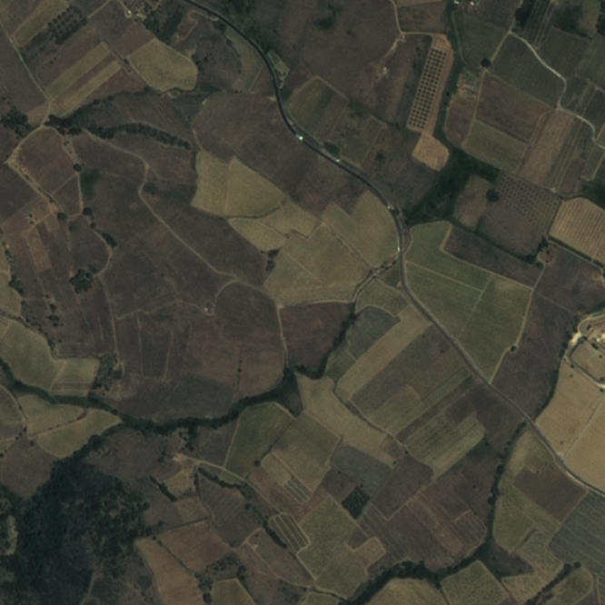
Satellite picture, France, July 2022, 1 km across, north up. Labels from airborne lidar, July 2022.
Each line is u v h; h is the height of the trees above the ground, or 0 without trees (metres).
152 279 0
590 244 0
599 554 0
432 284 0
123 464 0
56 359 0
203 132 0
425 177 0
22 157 0
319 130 0
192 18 0
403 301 0
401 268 0
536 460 0
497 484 7
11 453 0
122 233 0
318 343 0
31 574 8
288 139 0
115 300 0
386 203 0
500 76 0
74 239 0
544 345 0
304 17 0
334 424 0
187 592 0
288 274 0
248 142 0
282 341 0
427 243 0
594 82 0
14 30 0
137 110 0
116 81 0
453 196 7
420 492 0
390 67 0
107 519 6
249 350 0
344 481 0
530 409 0
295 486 0
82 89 0
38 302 0
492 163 0
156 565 0
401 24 0
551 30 0
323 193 0
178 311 0
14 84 0
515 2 0
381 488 0
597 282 0
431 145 0
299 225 0
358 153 0
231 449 0
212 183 0
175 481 0
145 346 0
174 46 0
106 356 0
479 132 0
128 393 0
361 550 0
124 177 0
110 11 0
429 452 0
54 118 10
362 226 0
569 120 0
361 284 0
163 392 0
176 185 0
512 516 0
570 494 0
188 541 0
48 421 0
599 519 0
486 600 0
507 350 0
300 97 0
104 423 0
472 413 0
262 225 0
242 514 0
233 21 0
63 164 0
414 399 0
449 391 0
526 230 0
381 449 0
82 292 8
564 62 0
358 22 0
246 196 0
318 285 0
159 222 0
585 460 0
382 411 0
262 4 0
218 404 0
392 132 0
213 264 0
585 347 0
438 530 0
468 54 0
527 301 0
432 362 0
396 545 0
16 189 0
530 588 0
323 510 0
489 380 0
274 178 0
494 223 0
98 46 0
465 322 0
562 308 0
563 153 0
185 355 0
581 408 0
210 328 0
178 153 0
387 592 0
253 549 0
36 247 0
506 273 0
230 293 0
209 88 0
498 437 0
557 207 0
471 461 0
